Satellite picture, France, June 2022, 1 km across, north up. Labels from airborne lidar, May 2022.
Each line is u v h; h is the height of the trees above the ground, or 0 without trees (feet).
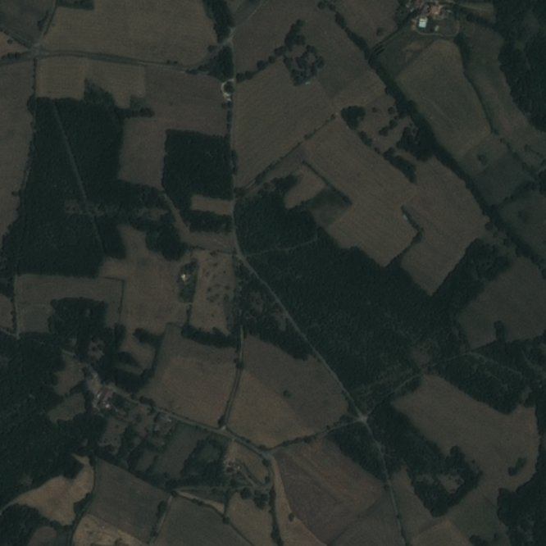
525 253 39
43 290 0
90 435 36
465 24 0
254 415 0
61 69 0
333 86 0
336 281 21
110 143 36
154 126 0
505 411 49
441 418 0
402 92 29
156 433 27
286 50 29
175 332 0
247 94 0
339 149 0
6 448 21
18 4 0
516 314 0
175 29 0
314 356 23
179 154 35
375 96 0
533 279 0
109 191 42
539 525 41
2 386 37
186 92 0
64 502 0
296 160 0
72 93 0
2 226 0
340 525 0
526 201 0
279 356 0
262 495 27
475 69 0
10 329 29
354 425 27
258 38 0
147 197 31
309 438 26
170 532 0
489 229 28
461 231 0
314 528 0
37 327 0
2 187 0
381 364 22
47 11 24
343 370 33
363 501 0
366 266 48
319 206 0
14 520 30
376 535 0
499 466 0
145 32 0
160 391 0
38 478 31
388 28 0
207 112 0
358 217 0
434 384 0
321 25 0
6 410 41
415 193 0
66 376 0
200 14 0
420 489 28
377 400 23
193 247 19
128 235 0
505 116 0
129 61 0
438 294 41
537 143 0
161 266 0
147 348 0
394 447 29
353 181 0
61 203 25
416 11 19
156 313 0
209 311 0
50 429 26
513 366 33
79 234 25
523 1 37
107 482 0
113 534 0
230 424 0
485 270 28
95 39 0
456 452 27
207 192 33
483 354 25
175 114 0
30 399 33
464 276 37
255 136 0
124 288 0
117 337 40
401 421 40
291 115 0
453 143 0
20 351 36
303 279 21
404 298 23
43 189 25
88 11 0
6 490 35
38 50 0
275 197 37
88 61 0
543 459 39
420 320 20
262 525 0
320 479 0
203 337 33
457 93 0
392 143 0
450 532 0
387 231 0
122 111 36
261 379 0
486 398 37
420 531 0
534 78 29
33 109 26
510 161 0
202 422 0
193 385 0
